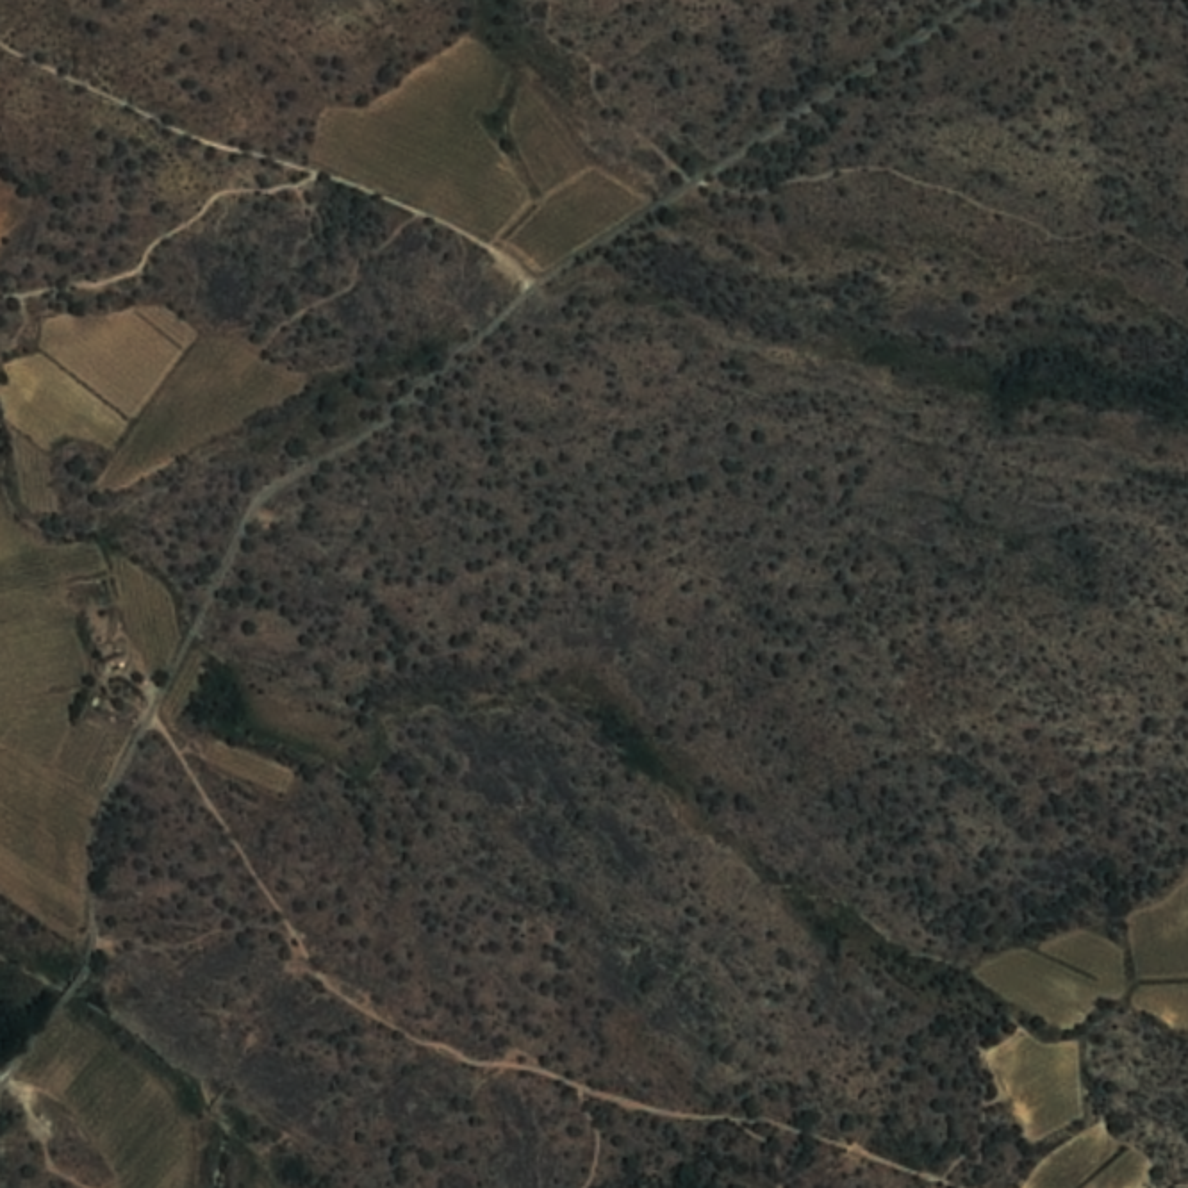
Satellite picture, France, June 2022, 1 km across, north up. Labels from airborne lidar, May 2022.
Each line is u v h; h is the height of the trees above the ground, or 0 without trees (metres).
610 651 0
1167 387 12
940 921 8
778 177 9
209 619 0
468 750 0
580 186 0
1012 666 0
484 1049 0
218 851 0
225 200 0
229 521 8
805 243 0
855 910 0
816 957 0
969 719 0
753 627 0
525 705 0
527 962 0
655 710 0
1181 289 0
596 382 0
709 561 0
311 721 0
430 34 0
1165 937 0
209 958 0
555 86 0
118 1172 0
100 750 0
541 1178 0
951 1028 5
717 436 0
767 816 0
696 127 9
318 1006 0
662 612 0
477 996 10
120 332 0
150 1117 0
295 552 0
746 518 0
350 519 0
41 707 0
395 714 0
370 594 11
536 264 0
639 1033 0
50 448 0
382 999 9
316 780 11
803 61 13
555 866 0
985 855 10
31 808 0
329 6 0
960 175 0
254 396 0
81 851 0
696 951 0
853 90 11
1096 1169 0
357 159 0
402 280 0
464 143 0
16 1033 14
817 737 0
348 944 11
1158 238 0
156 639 0
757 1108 11
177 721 0
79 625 0
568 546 0
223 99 0
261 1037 0
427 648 12
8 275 8
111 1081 0
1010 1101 0
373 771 0
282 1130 0
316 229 7
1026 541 0
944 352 9
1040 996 0
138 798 11
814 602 0
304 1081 0
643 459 0
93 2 0
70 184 0
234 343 0
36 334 0
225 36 0
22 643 0
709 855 0
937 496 0
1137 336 15
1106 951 0
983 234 0
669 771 0
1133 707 0
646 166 0
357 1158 0
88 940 0
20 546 0
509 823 0
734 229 0
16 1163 0
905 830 9
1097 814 11
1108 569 0
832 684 0
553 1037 0
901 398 0
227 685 7
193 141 8
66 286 9
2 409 10
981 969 0
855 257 0
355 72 0
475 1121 10
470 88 0
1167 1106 11
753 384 11
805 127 8
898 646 10
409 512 0
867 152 13
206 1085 0
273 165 9
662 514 0
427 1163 13
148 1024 0
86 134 0
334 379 0
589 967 0
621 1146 11
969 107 0
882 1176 0
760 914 0
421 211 0
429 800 8
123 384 0
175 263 0
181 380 0
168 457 0
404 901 0
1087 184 0
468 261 0
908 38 0
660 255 18
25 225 0
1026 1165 8
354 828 0
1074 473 0
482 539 8
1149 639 0
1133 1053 0
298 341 7
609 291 0
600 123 0
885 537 0
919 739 0
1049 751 0
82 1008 0
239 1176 0
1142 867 10
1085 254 0
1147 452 0
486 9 0
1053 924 10
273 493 0
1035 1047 0
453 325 0
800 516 7
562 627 0
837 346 0
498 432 11
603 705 0
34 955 0
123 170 7
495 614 10
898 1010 9
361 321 0
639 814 10
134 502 0
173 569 10
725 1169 10
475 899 7
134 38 0
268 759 0
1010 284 0
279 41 0
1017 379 11
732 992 0
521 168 0
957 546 0
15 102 0
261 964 0
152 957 0
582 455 0
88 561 0
